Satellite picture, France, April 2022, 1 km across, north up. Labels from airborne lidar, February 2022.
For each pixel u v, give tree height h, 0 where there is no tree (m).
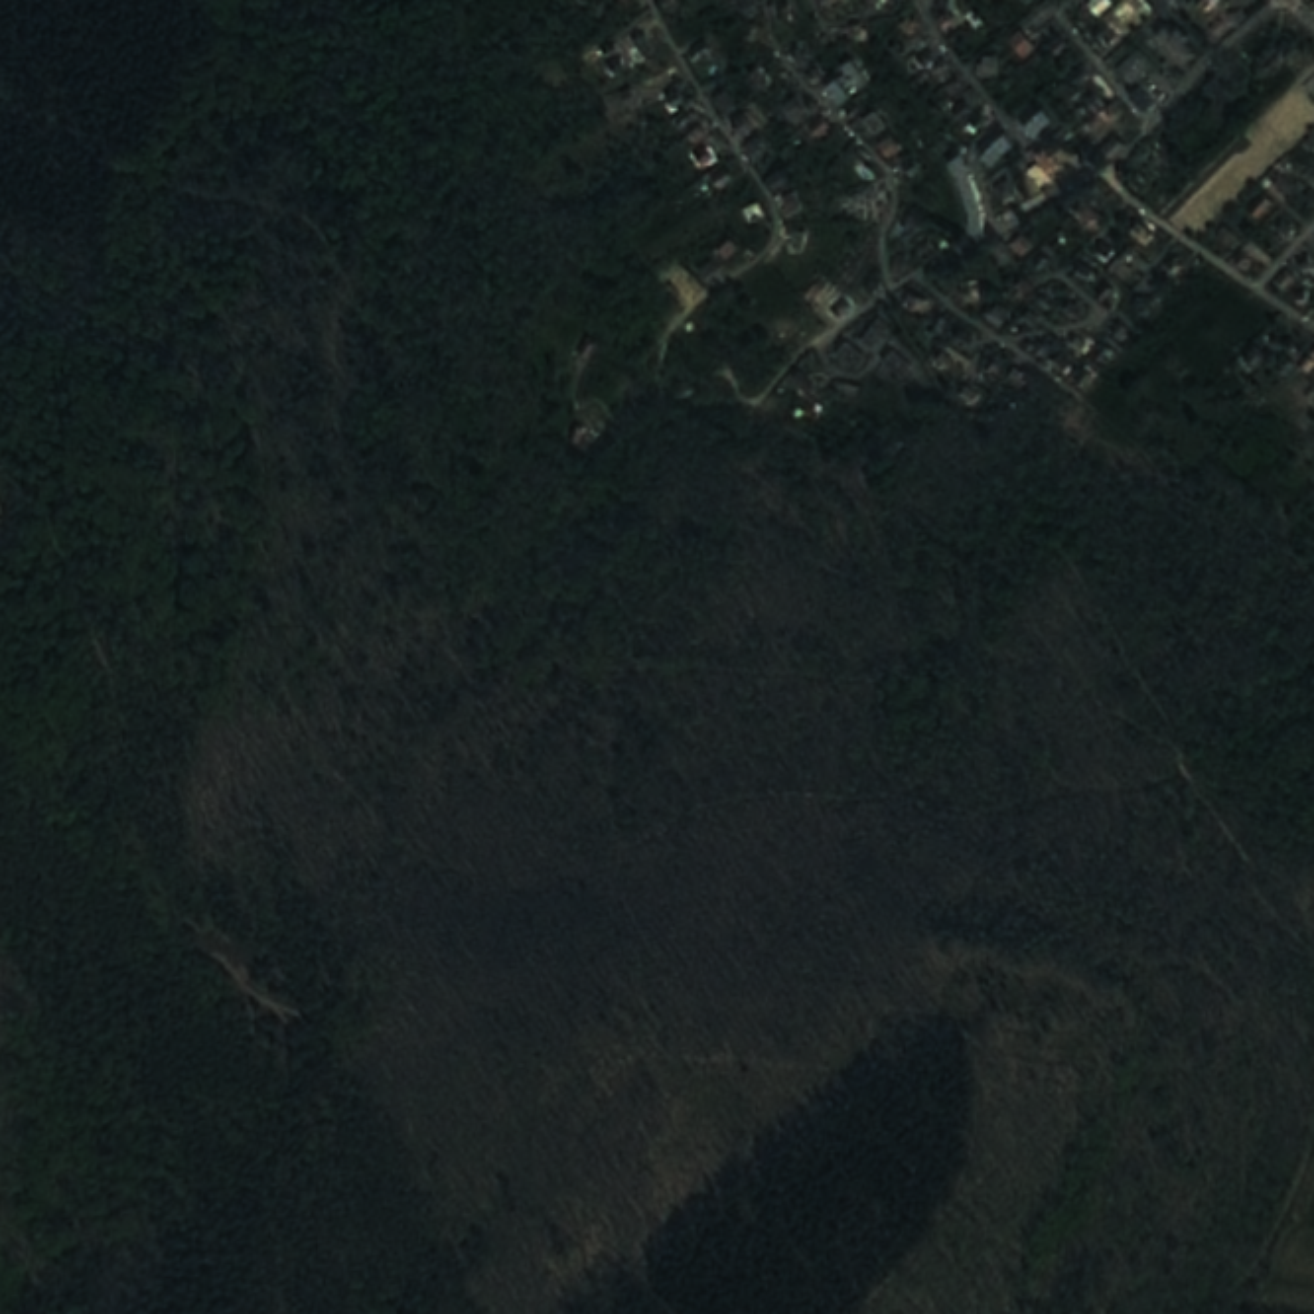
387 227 23
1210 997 19
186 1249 20
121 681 20
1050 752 27
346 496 29
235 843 22
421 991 24
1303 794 27
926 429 16
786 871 25
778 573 23
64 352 25
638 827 28
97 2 29
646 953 30
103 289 27
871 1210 23
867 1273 21
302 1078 17
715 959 28
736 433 9
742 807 27
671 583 24
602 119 20
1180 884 24
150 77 31
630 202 21
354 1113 22
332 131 24
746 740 26
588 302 15
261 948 9
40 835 21
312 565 13
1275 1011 23
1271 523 20
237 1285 18
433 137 25
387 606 29
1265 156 0
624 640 29
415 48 27
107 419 25
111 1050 22
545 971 27
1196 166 9
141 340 27
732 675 29
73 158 29
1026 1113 18
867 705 24
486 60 13
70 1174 25
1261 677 22
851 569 25
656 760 23
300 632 12
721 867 25
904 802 27
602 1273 14
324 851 29
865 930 22
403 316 19
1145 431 13
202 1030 15
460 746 30
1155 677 22
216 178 15
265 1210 21
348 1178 22
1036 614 21
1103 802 22
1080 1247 18
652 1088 19
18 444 22
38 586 26
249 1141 20
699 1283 27
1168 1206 19
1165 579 24
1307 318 0
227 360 30
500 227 19
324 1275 21
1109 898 24
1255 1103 20
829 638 25
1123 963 26
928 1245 21
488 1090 25
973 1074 26
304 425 31
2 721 22
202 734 25
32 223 26
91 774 15
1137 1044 14
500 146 25
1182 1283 23
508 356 25
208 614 33
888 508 16
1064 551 17
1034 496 21
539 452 24
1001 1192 21
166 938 17
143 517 20
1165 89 0
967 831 28
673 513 20
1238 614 18
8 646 27
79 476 22
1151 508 22
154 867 18
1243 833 17
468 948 28
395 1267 25
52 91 32
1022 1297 6
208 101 32
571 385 16
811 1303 21
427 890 31
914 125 10
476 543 23
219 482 20
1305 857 31
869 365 0
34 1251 24
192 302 30
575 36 8
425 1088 24
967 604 17
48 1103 31
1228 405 10
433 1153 25
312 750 29
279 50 22
